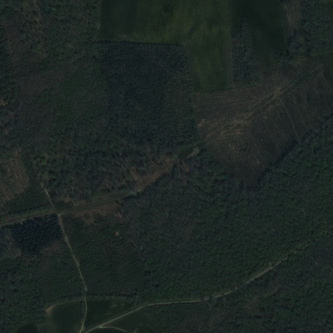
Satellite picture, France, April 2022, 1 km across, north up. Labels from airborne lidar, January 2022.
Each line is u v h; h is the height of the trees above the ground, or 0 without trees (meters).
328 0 23
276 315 29
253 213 26
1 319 18
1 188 0
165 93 14
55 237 31
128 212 23
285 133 0
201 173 29
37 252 29
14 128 30
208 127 0
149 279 26
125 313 0
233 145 0
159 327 7
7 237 26
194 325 9
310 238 21
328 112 0
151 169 26
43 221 18
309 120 0
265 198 25
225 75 0
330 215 23
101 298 18
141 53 13
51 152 30
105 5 0
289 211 22
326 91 0
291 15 0
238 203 15
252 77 27
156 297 23
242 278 18
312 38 24
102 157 26
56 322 0
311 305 28
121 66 16
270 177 24
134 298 19
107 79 13
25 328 0
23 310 23
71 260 10
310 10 24
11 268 7
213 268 20
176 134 11
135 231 27
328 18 23
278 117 0
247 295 23
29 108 21
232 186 32
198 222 24
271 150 0
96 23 21
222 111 0
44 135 20
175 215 26
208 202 15
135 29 0
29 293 23
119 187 26
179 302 0
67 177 30
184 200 29
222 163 0
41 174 17
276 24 0
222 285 21
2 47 13
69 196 0
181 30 0
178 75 15
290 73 0
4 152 27
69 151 11
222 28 0
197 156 0
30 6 0
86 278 7
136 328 0
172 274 24
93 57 21
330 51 18
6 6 14
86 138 26
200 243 18
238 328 25
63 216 0
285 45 0
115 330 0
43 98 18
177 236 23
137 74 14
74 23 27
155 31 0
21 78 19
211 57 0
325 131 22
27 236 31
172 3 0
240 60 18
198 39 0
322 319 28
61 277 13
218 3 0
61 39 26
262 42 0
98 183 20
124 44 15
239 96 0
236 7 0
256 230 20
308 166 22
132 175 28
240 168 0
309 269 28
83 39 23
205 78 0
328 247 23
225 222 22
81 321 0
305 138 0
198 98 0
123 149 24
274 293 26
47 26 29
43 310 24
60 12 27
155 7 0
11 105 14
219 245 20
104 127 23
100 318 0
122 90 14
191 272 24
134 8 0
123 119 14
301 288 30
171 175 0
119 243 6
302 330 28
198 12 0
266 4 0
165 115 10
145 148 28
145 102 15
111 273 8
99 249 8
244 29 18
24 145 25
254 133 0
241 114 0
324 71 0
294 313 19
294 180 24
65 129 14
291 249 21
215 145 0
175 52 12
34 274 12
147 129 18
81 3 27
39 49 31
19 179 0
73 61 26
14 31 11
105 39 0
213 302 24
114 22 0
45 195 9
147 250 26
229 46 0
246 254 20
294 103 0
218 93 0
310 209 21
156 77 17
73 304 0
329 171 18
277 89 0
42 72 18
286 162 25
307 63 0
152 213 30
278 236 23
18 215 16
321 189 21
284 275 25
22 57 10
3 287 27
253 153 0
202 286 22
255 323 26
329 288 23
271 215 22
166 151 28
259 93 0
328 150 24
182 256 22
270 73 0
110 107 15
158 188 27
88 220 21
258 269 18
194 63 0
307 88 0
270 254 22
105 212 0
